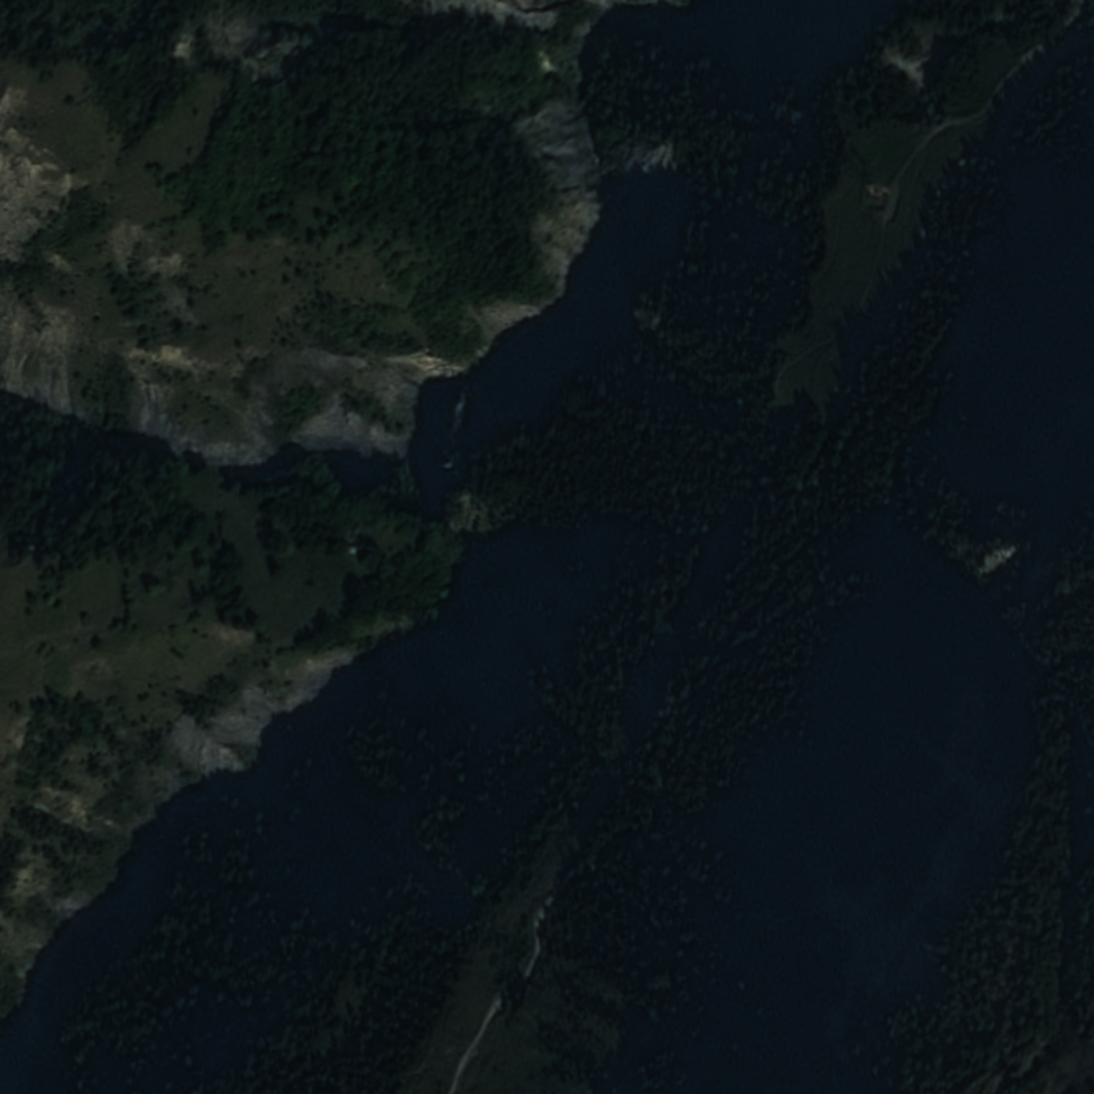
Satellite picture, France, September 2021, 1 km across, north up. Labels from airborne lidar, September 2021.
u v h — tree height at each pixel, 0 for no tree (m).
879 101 15
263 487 16
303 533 18
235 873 16
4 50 8
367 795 8
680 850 14
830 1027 0
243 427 0
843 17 0
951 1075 10
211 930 15
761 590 19
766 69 19
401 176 22
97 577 0
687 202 16
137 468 13
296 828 13
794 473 12
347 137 12
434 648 11
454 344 8
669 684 18
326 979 20
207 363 0
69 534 20
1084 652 10
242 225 7
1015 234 13
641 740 8
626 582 7
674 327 11
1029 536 15
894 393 7
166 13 10
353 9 12
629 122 7
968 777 0
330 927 9
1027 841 14
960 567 6
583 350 9
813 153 13
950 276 20
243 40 0
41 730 7
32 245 7
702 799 9
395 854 7
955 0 20
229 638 0
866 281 0
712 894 15
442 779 14
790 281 13
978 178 13
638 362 15
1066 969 14
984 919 8
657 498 11
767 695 16
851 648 9
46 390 0
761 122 10
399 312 7
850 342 0
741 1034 8
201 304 0
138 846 10
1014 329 16
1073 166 18
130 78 8
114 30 8
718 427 8
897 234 0
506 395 7
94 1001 17
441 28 12
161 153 0
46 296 0
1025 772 15
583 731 9
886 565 9
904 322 15
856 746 6
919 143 0
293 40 9
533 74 19
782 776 10
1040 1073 11
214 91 0
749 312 24
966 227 12
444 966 15
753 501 9
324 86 20
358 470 20
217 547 12
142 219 0
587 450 19
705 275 17
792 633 17
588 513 21
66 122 0
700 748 13
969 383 11
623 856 15
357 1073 13
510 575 9
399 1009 13
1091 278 10
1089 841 23
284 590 0
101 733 9
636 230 7
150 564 0
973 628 9
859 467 14
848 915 0
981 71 8
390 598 20
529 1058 0
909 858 7
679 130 18
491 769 14
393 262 10
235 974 13
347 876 10
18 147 0
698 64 27
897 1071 10
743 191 15
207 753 0
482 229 7
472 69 14
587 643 6
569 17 9
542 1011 0
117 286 14
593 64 13
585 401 21
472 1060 0
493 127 15
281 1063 8
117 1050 18
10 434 11
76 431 11
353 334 10
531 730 10
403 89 15
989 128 0
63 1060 15
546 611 12
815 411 16
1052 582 7
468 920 15
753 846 6
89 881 8
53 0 10
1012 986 8
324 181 26
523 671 13
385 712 18
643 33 17
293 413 6
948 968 11
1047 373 14
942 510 17
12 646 0
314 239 8
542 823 10
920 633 10
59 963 7
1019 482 11
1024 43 9
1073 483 13
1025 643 8
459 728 8
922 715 14
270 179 11
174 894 20
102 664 0
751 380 13
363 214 8
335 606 0
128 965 17
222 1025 22
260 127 12
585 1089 0
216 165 15
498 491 14
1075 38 0
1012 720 12
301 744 14
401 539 16
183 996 21
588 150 0
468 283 17
